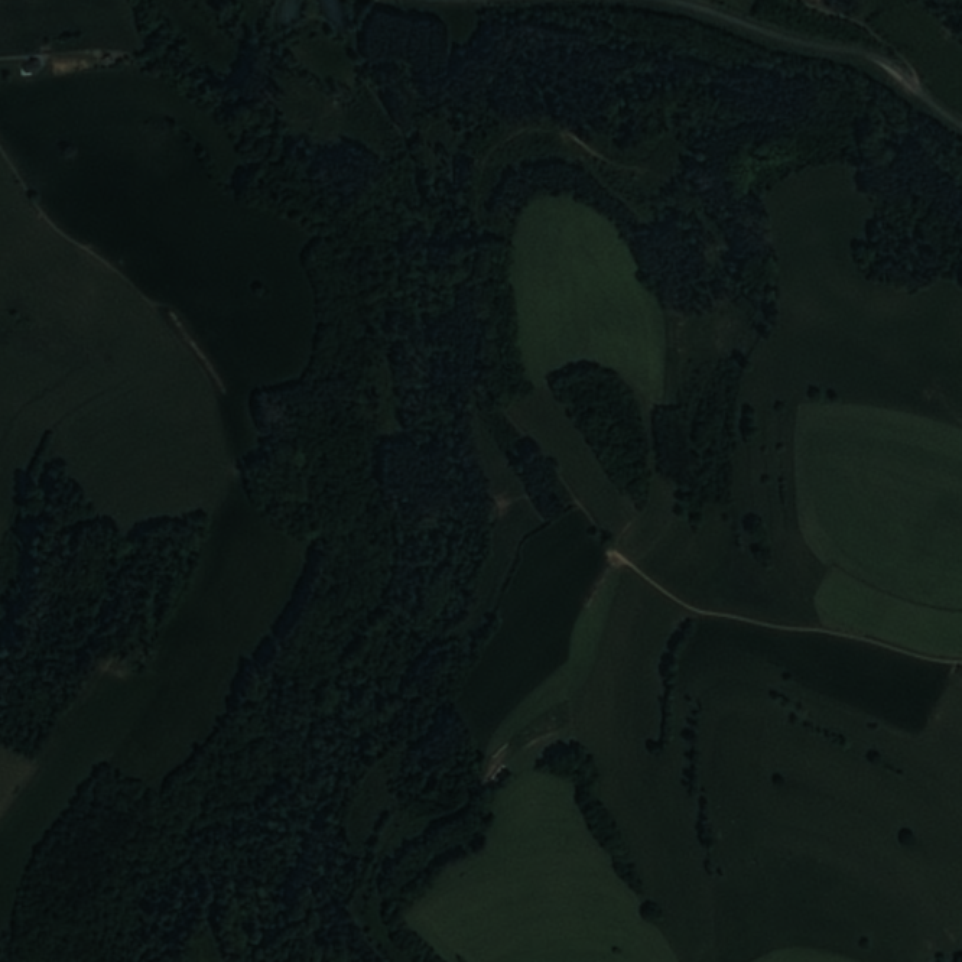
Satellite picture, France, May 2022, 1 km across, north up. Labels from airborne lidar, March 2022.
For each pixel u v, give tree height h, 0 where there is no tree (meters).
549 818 0
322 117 0
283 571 0
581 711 0
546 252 0
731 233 11
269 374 0
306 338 0
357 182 30
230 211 0
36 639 17
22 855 0
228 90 25
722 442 11
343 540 19
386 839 0
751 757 0
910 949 0
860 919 0
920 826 0
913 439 0
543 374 0
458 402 26
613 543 18
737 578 0
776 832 0
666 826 0
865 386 0
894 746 0
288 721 17
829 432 0
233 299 0
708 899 0
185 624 0
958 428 0
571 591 0
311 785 25
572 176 11
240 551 0
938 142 25
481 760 14
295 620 26
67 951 14
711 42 14
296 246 0
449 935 0
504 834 0
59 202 0
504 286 19
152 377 0
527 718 0
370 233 18
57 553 31
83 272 0
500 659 0
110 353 0
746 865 0
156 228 0
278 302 0
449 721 23
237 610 0
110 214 0
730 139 25
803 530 0
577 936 0
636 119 27
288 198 17
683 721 0
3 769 0
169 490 0
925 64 0
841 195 0
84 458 0
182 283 0
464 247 28
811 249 0
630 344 0
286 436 27
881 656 0
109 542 17
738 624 0
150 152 0
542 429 0
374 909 0
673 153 0
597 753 0
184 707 0
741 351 0
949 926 0
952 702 0
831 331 0
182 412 0
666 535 0
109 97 0
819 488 0
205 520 15
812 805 0
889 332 0
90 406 0
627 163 0
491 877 0
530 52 27
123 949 12
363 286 12
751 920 0
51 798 0
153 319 0
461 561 20
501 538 0
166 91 0
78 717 0
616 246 0
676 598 0
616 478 18
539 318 0
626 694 0
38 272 0
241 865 19
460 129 12
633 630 0
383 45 26
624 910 0
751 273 26
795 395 0
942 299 0
